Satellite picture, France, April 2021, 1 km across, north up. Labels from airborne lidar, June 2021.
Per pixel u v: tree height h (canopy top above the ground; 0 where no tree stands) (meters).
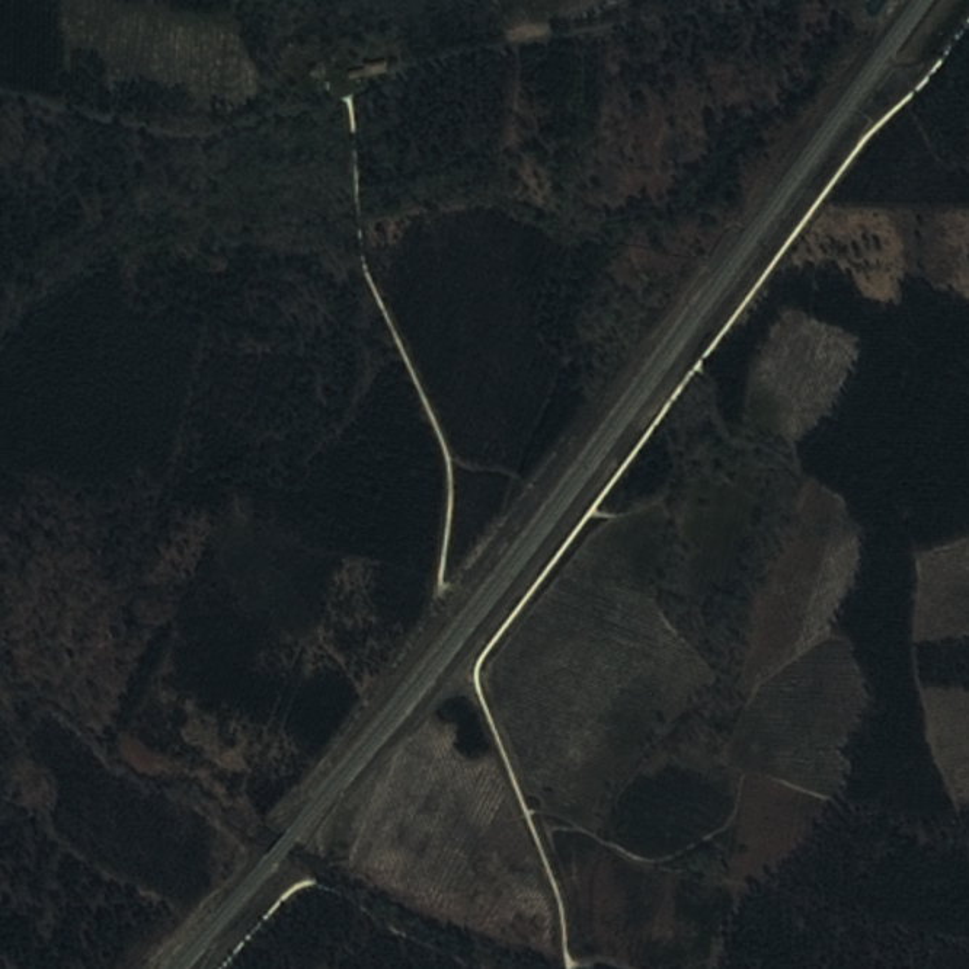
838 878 17
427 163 16
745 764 0
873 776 11
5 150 14
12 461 16
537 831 0
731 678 18
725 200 18
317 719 7
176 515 8
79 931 12
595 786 0
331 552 10
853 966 17
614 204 17
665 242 15
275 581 0
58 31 7
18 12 6
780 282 10
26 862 11
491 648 0
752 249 0
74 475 16
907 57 0
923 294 12
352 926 21
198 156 17
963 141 18
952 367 14
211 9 9
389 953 21
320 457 7
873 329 12
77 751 15
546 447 11
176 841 16
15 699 13
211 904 0
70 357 20
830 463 13
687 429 15
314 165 18
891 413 12
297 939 20
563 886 0
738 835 0
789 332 0
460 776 0
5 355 13
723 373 13
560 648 0
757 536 14
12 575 7
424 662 0
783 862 0
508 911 0
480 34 10
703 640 10
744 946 19
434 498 7
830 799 0
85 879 11
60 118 8
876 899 17
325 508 6
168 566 11
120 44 0
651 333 0
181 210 19
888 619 11
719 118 13
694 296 0
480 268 9
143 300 7
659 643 0
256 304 8
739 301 0
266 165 19
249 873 0
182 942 0
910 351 12
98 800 15
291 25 15
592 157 15
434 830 0
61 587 9
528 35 0
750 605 20
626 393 0
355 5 13
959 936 16
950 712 0
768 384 0
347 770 0
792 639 0
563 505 0
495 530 0
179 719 6
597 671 0
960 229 0
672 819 0
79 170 15
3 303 22
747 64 23
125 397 16
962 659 11
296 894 0
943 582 0
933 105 19
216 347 9
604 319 16
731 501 0
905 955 18
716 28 20
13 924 15
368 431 9
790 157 0
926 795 12
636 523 0
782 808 0
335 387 14
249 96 0
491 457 8
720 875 11
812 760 0
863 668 11
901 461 14
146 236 17
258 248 8
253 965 19
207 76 0
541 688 0
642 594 0
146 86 8
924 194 8
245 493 7
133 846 15
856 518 10
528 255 8
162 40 0
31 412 19
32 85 6
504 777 0
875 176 11
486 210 7
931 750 11
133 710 17
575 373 10
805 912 15
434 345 8
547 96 12
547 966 18
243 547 0
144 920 19
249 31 8
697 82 8
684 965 0
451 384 9
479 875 0
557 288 16
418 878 0
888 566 13
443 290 6
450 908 0
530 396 8
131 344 16
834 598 0
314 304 11
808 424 0
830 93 0
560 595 0
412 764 0
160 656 15
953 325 12
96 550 9
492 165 20
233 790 7
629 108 9
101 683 15
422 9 12
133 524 8
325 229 15
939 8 0
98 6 0
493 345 7
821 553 0
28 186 18
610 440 0
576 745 0
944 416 12
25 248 21
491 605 0
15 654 14
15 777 17
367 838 0
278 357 9
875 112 0
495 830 0
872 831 15
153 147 17
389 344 14
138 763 0
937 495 14
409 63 11
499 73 20
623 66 10
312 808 0
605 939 0
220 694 7
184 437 9
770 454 16
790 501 15
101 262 19
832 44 18
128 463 16
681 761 15
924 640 0
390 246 28
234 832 8
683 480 9
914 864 18
